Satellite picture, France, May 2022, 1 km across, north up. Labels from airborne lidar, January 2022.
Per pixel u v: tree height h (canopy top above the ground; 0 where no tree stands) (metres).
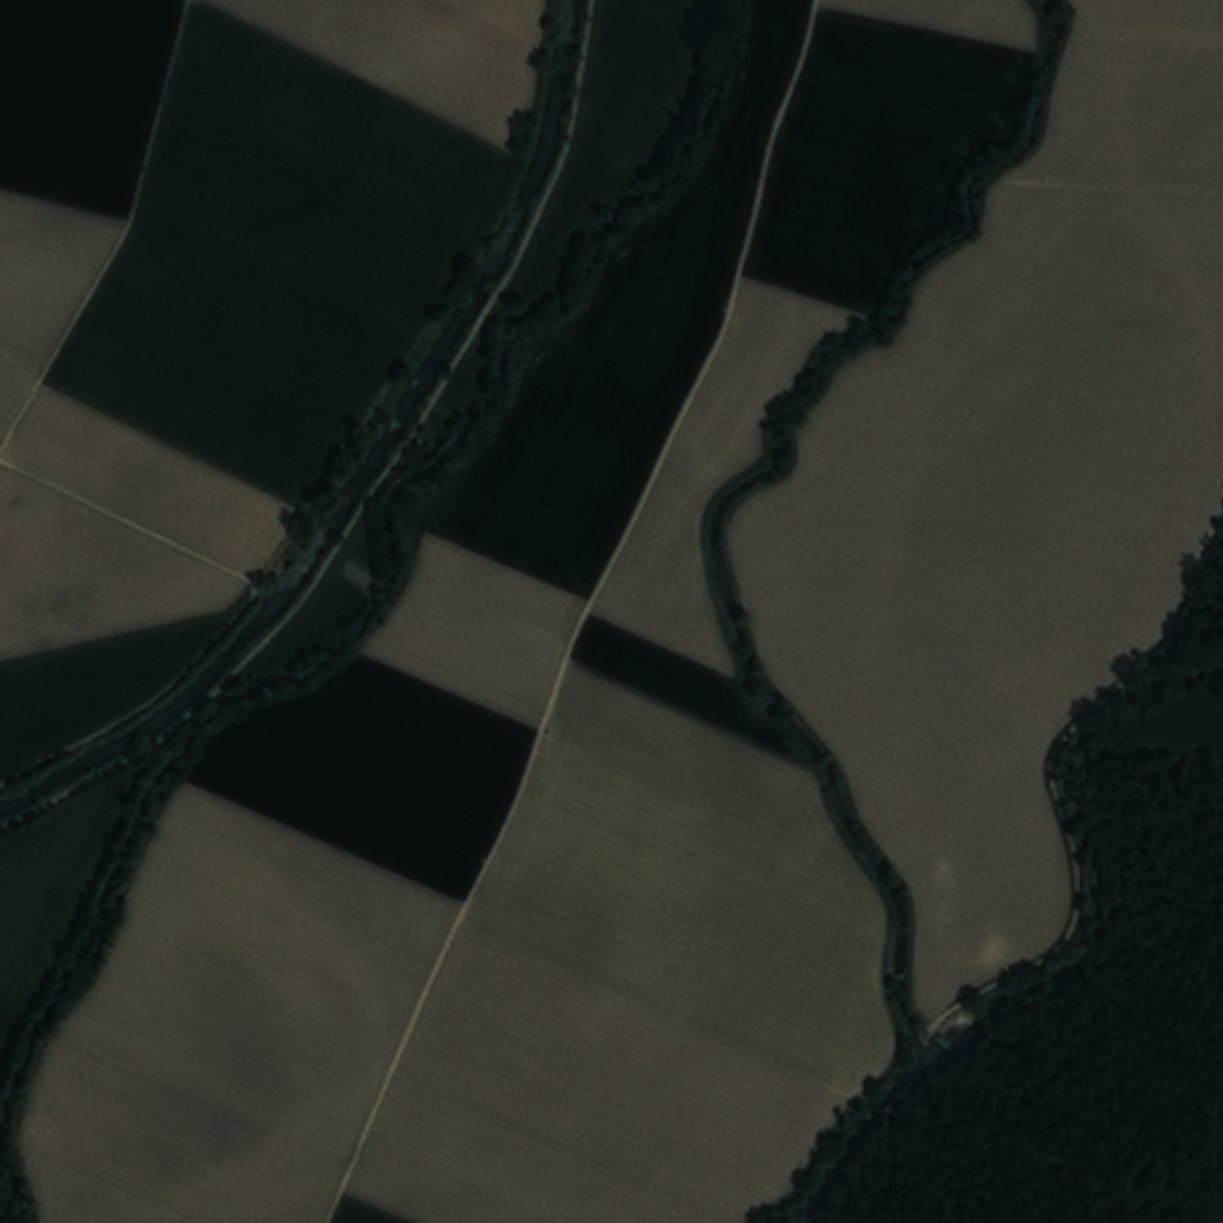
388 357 0
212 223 0
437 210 0
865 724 0
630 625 0
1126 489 0
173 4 0
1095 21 0
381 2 0
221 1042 0
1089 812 20
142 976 0
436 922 0
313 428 0
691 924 0
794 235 0
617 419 0
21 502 0
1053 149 0
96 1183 0
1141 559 0
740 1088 0
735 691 0
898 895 12
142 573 0
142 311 0
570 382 0
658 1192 0
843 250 0
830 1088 0
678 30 0
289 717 0
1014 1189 18
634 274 0
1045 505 0
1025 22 0
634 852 0
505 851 0
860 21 0
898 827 0
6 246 0
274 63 0
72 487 0
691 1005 0
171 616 0
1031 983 16
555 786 0
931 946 0
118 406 0
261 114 0
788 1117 0
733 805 0
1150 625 0
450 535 0
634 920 0
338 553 0
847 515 0
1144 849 7
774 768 0
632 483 0
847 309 0
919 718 0
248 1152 0
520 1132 0
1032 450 0
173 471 0
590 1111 0
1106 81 0
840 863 0
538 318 17
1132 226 0
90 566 0
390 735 0
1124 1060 19
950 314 0
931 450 0
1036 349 0
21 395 0
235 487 0
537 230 0
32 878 0
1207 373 0
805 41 0
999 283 0
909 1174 17
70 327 0
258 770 0
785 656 0
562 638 0
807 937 0
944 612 0
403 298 0
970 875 0
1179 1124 17
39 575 0
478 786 0
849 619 0
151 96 0
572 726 0
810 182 0
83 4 0
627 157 0
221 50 0
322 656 14
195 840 0
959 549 0
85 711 0
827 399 0
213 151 0
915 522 0
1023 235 0
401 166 0
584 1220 0
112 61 0
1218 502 0
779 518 0
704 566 0
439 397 0
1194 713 0
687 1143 0
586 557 0
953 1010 0
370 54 0
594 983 0
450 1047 0
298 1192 0
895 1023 0
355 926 0
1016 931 0
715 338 0
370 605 6
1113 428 0
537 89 0
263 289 0
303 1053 0
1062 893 0
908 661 0
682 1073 0
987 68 0
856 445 0
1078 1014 20
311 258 0
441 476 20
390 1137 0
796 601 0
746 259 0
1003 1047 17
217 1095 0
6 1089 10
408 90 0
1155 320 0
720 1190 0
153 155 0
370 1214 0
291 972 0
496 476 0
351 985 0
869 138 0
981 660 0
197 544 0
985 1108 20
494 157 0
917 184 0
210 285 0
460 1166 0
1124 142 0
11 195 0
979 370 0
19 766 0
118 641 0
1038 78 9
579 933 0
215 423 0
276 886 0
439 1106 0
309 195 0
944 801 0
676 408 0
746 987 0
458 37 0
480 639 0
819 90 0
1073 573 0
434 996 0
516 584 0
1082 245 0
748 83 0
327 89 0
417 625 0
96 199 0
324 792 0
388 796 0
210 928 0
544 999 0
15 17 0
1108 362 0
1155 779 18
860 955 0
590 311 0
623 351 0
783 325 0
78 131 0
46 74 0
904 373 0
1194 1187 20
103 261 0
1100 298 0
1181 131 0
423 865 0
